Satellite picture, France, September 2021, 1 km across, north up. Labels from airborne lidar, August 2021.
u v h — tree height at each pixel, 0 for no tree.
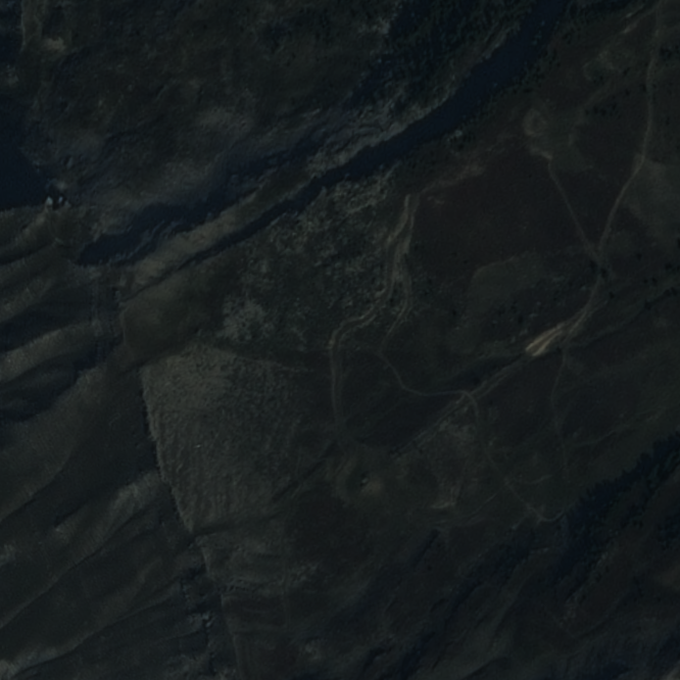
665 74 0
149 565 0
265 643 0
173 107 0
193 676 0
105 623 0
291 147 0
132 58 0
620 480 0
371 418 0
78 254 0
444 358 0
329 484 0
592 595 0
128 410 0
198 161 0
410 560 0
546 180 0
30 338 0
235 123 0
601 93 0
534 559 0
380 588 0
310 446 0
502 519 0
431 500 0
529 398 0
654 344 0
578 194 0
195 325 0
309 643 0
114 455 0
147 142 0
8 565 0
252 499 0
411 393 0
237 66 0
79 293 0
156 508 0
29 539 0
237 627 0
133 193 0
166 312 0
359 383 0
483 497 0
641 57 0
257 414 0
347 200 0
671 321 0
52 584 0
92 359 0
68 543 0
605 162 0
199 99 0
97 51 0
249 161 0
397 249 0
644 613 0
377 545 0
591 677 0
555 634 0
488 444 0
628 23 0
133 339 0
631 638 0
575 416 0
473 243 0
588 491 0
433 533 0
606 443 0
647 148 0
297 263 0
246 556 0
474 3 20
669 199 0
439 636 0
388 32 0
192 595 0
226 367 0
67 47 0
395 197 0
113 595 0
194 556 0
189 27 0
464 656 0
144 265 0
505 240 0
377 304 0
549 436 0
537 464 0
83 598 0
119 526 0
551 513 0
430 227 0
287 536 0
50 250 0
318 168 0
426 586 0
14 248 0
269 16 0
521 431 0
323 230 0
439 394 0
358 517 0
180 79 0
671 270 10
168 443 0
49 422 0
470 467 0
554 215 0
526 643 0
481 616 0
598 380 0
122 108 0
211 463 0
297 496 0
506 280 0
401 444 0
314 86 0
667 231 0
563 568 0
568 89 0
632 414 0
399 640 0
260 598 0
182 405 0
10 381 0
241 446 0
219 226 0
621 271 0
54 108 0
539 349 0
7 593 0
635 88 0
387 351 0
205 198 0
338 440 0
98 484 0
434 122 0
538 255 0
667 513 0
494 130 0
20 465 0
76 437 0
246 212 0
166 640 0
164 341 0
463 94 0
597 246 0
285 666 0
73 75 0
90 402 0
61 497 0
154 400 0
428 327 0
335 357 0
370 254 0
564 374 0
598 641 0
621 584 0
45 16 0
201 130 0
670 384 0
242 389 0
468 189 0
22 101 0
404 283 0
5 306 0
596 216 0
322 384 0
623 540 0
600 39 0
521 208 0
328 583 0
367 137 0
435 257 0
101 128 0
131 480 0
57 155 0
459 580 0
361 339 0
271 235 0
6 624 0
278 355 0
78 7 0
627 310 0
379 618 0
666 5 0
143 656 0
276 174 0
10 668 0
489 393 0
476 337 0
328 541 0
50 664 0
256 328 0
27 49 0
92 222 0
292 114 0
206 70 0
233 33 0
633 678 0
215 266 0
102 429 0
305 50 0
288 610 0
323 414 0
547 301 0
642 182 0
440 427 0
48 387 0
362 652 0
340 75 0
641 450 0
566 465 0
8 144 0
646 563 0
